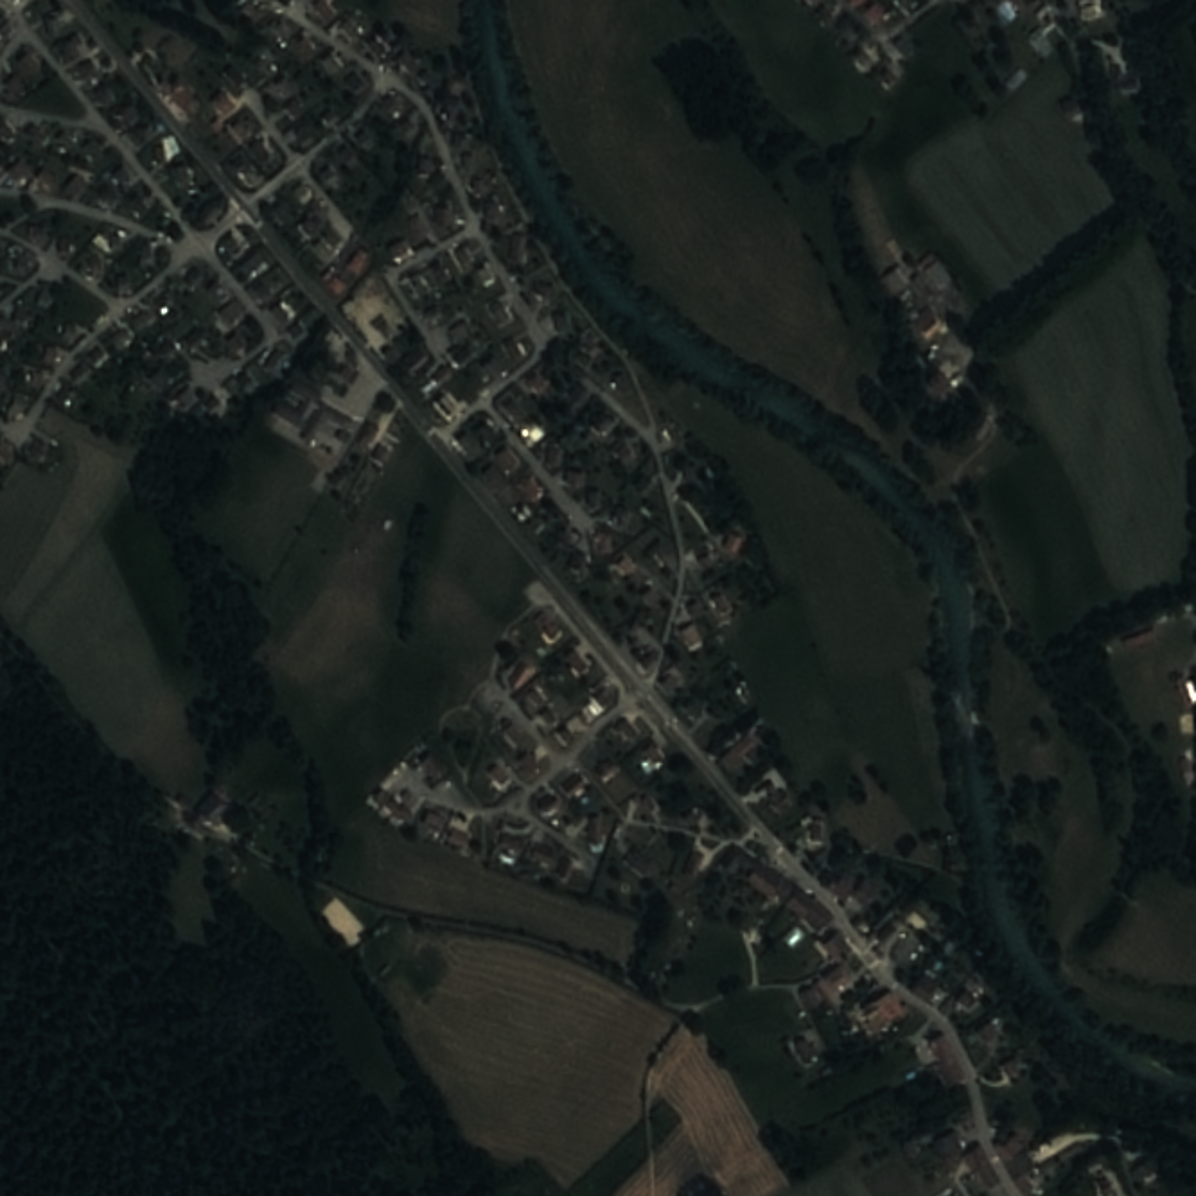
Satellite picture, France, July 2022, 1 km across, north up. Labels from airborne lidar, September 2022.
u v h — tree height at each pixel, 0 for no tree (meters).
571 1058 0
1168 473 0
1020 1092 0
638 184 0
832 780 0
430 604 0
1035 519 0
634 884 0
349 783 0
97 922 10
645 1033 0
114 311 0
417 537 8
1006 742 0
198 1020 22
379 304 0
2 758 8
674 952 0
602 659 0
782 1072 0
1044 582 0
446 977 0
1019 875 24
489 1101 0
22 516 0
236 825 18
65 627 0
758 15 0
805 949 0
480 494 0
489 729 0
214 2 15
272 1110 32
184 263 0
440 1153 13
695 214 0
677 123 0
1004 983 20
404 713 0
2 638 8
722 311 0
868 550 0
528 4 0
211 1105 13
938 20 0
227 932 15
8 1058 19
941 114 0
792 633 0
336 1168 33
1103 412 0
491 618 0
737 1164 0
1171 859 22
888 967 0
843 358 0
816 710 0
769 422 9
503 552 0
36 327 6
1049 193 0
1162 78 21
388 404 12
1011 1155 0
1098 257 26
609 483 0
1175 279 13
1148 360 0
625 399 0
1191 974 0
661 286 0
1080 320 0
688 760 15
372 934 8
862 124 0
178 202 6
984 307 0
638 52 0
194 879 0
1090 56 20
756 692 0
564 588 0
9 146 7
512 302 0
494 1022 0
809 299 0
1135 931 0
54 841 16
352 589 0
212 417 11
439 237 0
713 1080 0
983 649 7
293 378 10
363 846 0
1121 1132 9
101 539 0
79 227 0
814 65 0
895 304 11
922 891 16
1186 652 0
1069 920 0
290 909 0
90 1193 24
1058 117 0
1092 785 0
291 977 19
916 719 0
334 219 0
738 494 5
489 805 0
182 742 0
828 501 0
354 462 8
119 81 8
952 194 0
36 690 10
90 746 13
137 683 0
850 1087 0
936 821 0
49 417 0
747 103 15
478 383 0
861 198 0
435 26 0
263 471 0
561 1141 0
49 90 0
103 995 12
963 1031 7
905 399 21
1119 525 0
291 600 0
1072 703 16
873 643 0
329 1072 24
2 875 14
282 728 15
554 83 0
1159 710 0
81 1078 22
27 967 17
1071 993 14
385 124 6
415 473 0
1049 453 0
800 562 0
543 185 0
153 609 0
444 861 0
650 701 0
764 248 0
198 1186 20
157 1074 35
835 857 12
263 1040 7
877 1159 7
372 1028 0
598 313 15
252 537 0
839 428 18
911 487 14
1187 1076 19
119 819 25
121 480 0
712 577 7
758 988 0
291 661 0
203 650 14
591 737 0
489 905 0
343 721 0
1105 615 16
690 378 15
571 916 0
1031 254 0
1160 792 15
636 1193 0
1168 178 0
